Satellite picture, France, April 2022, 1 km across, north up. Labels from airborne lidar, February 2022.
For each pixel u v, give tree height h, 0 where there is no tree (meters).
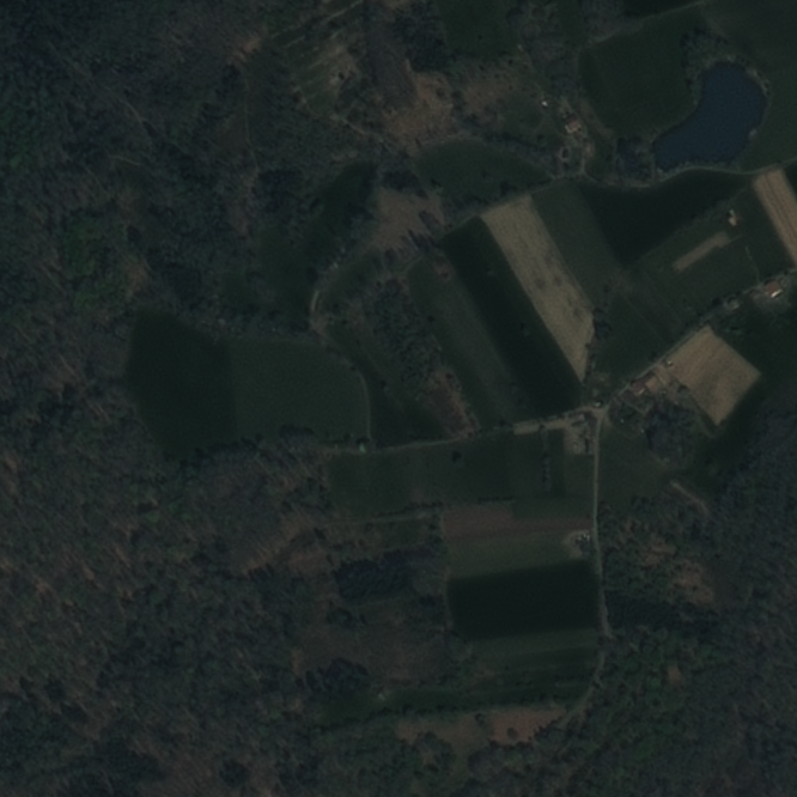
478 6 0
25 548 29
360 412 0
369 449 15
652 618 13
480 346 0
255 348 0
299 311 0
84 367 31
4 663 22
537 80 0
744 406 0
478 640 0
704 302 0
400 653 0
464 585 0
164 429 0
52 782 16
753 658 19
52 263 27
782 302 0
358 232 22
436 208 0
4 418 14
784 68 0
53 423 13
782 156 0
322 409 0
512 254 0
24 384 24
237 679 31
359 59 22
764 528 25
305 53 0
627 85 0
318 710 21
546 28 11
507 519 0
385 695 15
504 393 0
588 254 0
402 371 14
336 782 24
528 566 0
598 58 0
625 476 0
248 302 0
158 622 23
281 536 33
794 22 0
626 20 22
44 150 25
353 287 0
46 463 25
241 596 31
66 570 29
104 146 24
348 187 0
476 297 0
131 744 17
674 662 26
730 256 0
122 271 25
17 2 26
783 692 26
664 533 20
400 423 0
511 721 0
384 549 0
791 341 0
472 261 0
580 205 0
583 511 0
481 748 0
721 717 20
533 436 0
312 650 0
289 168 24
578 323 0
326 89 0
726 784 9
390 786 19
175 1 27
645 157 11
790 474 26
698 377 0
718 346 0
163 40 31
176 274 17
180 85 28
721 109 0
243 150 0
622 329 0
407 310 8
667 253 0
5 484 29
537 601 0
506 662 0
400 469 0
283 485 32
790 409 0
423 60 12
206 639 28
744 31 0
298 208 16
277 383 0
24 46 25
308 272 0
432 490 0
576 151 0
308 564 0
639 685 30
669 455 32
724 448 0
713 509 0
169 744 16
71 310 28
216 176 8
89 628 28
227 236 34
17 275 19
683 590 11
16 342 30
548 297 0
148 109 33
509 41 0
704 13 0
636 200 0
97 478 29
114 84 33
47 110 25
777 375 0
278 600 23
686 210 0
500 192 0
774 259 0
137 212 0
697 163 15
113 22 24
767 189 0
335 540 0
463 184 0
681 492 0
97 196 26
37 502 29
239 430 0
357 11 0
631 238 0
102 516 27
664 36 0
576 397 0
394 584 37
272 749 31
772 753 29
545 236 0
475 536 0
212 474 30
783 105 0
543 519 0
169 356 0
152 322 0
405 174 14
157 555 29
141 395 0
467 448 0
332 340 0
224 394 0
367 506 0
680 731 20
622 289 0
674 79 0
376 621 0
